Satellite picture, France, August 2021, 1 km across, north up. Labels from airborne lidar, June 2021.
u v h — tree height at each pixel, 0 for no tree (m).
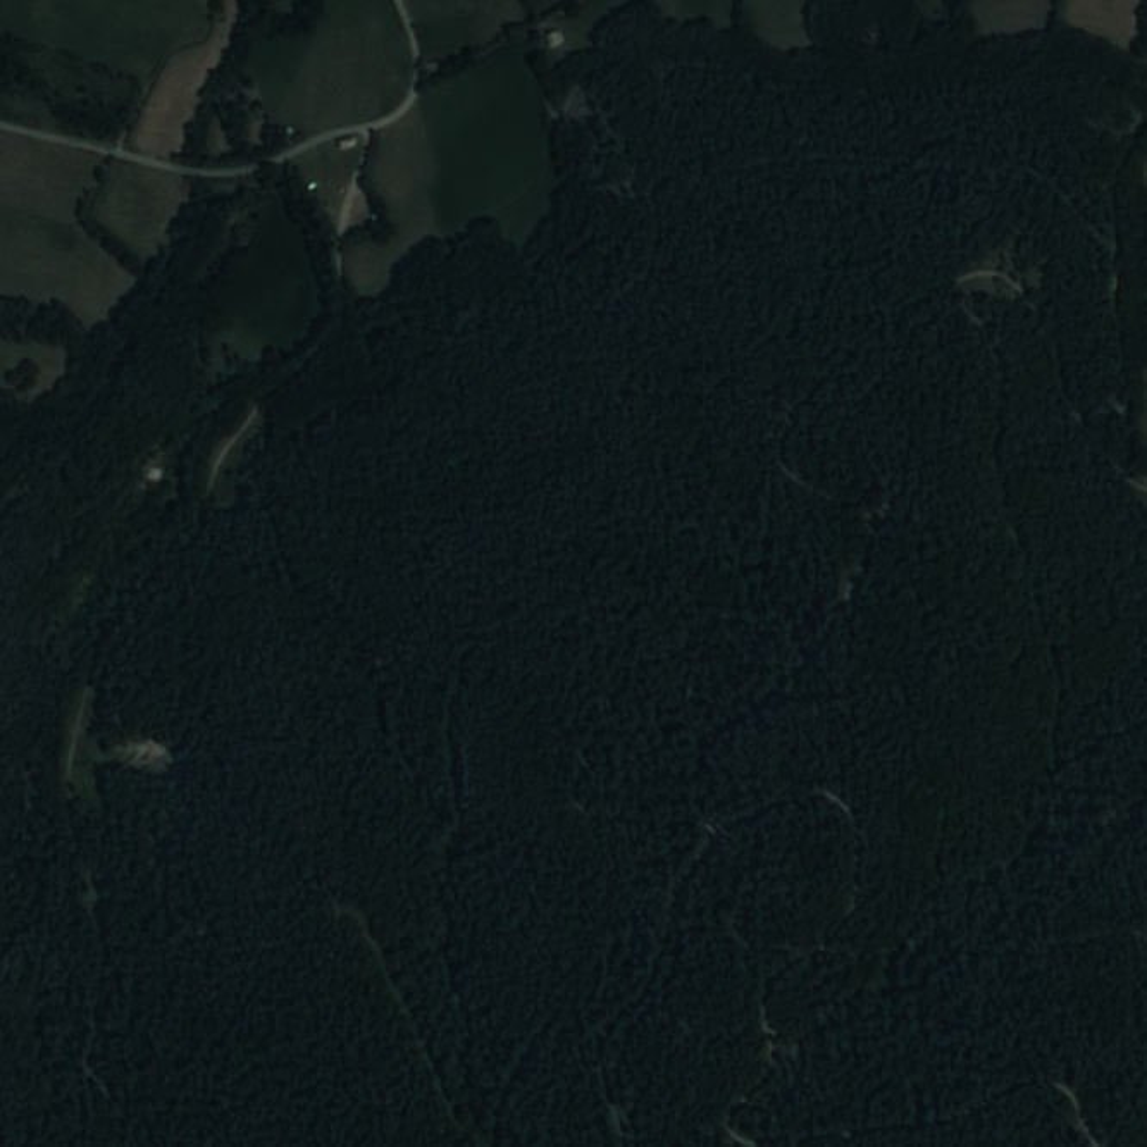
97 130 9
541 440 21
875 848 21
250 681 15
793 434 16
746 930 8
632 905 26
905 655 20
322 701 23
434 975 28
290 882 18
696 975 29
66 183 0
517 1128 27
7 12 0
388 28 0
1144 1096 18
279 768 14
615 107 14
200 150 13
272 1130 19
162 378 18
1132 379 22
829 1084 21
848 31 21
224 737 23
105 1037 11
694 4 0
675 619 17
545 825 19
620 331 15
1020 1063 9
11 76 9
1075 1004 17
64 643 21
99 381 25
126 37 0
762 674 28
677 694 33
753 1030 16
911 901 15
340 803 14
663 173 16
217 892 13
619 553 23
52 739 27
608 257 23
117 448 13
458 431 19
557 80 12
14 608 15
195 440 17
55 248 0
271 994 15
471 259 17
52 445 24
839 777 11
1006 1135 13
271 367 20
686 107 20
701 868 19
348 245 13
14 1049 17
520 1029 20
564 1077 16
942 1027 11
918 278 19
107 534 7
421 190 0
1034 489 24
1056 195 18
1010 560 18
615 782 26
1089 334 16
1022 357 18
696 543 26
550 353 23
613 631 26
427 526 20
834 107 24
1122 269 17
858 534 17
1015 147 25
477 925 22
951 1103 21
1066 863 23
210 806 16
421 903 21
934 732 13
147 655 25
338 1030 14
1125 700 29
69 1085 22
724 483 22
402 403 27
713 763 13
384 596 20
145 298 23
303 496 19
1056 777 33
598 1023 22
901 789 19
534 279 17
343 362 25
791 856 17
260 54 0
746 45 19
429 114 0
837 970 26
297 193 20
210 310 18
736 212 23
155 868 8
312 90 0
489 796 20
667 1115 18
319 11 15
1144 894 17
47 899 27
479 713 17
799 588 23
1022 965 22
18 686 20
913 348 24
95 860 21
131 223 0
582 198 18
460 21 0
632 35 14
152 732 18
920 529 22
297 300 0
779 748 23
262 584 20
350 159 0
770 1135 28
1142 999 10
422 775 22
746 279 21
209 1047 11
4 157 0
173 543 17
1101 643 17
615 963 16
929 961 16
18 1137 22
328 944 12
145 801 15
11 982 19
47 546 12
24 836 24
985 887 27
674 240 17
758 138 22
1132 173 17
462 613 22
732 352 22
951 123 24
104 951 17
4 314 21
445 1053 19
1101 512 19
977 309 18
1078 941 9
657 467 21
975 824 21
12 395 8
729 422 16
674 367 17
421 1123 16
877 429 24
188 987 19
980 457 21
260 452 10
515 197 0
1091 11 0
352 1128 17
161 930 21
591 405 21
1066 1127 7
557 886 20
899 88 23
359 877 19
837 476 21
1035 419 29
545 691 18
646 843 24
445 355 21
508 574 24
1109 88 15
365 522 19
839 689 20
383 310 21
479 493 21
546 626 23
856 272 15
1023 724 20
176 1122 18
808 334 23
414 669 19
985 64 15
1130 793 13
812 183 23
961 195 25
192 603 20
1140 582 23
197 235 26
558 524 24
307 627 23
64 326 21
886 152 22
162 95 0
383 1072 20
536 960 18
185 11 0
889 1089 21
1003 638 21
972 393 21
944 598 25
